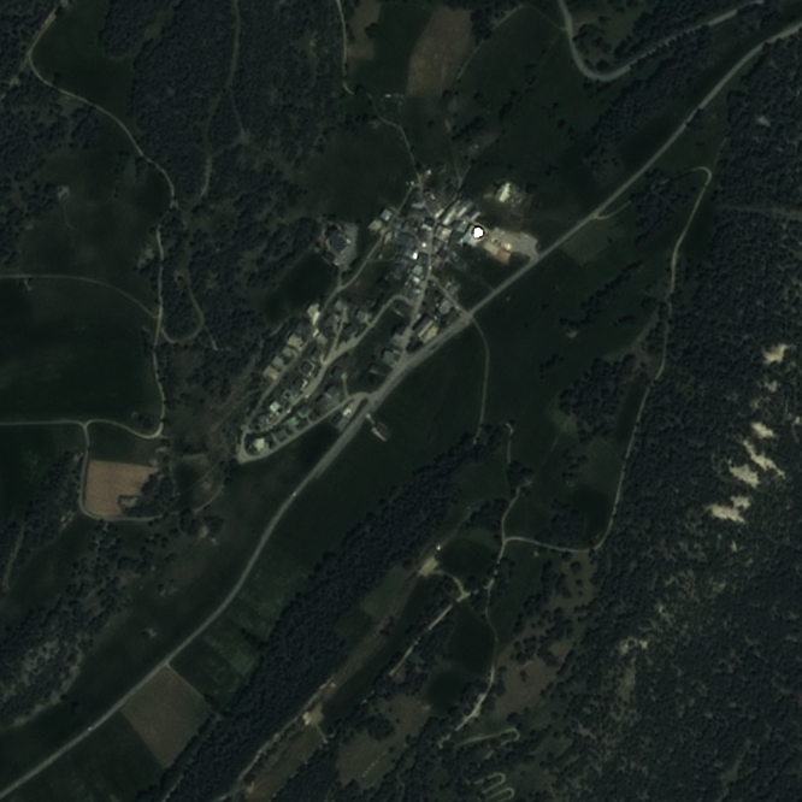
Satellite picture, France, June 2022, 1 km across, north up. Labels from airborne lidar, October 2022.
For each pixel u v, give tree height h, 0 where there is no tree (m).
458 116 9
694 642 10
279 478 0
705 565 10
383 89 0
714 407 16
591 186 0
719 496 10
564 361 10
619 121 17
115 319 0
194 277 7
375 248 0
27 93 15
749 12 15
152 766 0
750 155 18
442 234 0
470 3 18
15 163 13
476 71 0
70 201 0
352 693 0
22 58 11
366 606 0
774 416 13
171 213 7
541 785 0
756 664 22
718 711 16
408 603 0
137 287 0
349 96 10
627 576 15
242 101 7
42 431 0
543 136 0
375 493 0
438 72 0
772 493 9
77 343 0
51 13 10
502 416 0
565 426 0
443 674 0
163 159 12
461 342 0
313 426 0
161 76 6
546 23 0
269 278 16
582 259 0
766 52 8
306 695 9
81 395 0
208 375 9
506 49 0
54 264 0
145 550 12
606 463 0
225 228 9
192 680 0
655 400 14
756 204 17
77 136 14
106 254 0
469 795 18
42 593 0
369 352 0
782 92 10
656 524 18
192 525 12
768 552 7
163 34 8
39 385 0
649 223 13
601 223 0
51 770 0
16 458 0
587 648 8
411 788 15
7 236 15
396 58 0
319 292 0
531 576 0
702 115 13
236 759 8
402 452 0
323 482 0
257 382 10
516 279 0
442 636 14
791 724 11
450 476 10
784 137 22
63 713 0
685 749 14
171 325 8
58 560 0
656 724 11
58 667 10
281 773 0
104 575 12
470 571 0
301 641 8
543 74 0
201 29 7
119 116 0
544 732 8
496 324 0
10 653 9
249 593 0
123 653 0
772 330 14
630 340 0
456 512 0
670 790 12
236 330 12
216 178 7
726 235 21
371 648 0
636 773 11
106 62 0
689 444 19
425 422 0
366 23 0
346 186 0
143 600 0
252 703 12
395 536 14
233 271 10
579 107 0
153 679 0
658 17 14
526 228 0
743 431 13
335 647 10
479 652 0
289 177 0
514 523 0
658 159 0
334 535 0
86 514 0
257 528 0
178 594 0
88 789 0
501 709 0
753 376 15
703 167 0
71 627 6
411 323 0
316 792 6
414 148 8
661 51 12
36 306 0
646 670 14
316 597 10
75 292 0
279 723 9
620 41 0
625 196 0
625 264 0
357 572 9
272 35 7
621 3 7
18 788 0
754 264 16
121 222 0
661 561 15
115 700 0
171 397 8
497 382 0
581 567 10
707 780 14
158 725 0
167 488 8
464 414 0
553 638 13
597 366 11
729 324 8
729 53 0
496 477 0
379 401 0
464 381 0
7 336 0
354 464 0
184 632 0
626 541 12
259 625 0
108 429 0
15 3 12
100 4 0
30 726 0
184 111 5
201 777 9
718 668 13
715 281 15
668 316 15
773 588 18
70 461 7
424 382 0
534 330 0
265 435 7
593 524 0
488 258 0
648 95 15
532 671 0
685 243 0
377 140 0
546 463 0
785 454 8
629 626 11
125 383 0
